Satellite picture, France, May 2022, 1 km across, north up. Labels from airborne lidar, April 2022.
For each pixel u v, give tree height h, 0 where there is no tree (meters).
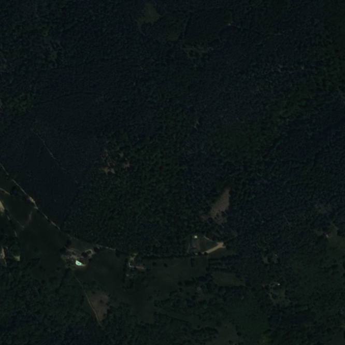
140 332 15
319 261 10
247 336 14
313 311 13
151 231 25
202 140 32
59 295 22
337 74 12
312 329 14
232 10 24
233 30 22
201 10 15
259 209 26
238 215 27
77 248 0
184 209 28
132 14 20
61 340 30
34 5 23
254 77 15
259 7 12
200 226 18
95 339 13
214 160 33
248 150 30
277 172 27
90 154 17
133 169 24
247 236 21
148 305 0
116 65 22
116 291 0
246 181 21
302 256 21
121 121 26
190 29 15
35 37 41
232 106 26
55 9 35
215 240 15
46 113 18
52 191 14
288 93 28
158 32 12
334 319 11
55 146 19
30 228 0
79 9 32
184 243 21
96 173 19
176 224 28
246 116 25
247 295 17
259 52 13
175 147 29
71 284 13
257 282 19
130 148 22
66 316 23
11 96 20
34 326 29
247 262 19
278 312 20
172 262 0
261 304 18
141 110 17
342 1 21
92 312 0
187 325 12
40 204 15
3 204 0
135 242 15
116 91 24
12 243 23
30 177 11
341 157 32
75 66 23
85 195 18
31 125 18
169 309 15
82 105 17
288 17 14
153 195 30
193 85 27
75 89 19
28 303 24
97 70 24
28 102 18
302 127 31
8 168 20
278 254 18
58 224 13
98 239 19
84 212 23
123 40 25
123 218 26
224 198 0
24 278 24
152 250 20
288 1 15
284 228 21
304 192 28
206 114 27
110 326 19
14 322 28
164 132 30
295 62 14
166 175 27
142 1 22
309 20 12
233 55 20
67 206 14
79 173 18
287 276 20
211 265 15
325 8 17
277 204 22
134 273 14
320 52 10
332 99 28
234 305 18
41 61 22
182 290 14
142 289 0
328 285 15
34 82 25
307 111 26
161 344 16
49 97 18
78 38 19
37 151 10
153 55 23
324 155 30
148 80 30
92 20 26
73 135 17
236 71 16
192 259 18
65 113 18
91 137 18
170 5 21
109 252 0
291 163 31
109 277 0
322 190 30
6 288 30
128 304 7
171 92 26
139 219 24
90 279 0
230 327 0
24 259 10
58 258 0
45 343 31
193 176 31
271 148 28
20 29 21
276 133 30
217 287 16
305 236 13
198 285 24
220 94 26
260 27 19
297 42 12
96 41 31
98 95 21
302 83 28
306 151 29
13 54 27
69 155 18
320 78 8
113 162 16
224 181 13
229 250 13
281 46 13
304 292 13
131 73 23
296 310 17
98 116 21
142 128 17
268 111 26
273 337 17
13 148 20
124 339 24
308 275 16
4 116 23
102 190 21
